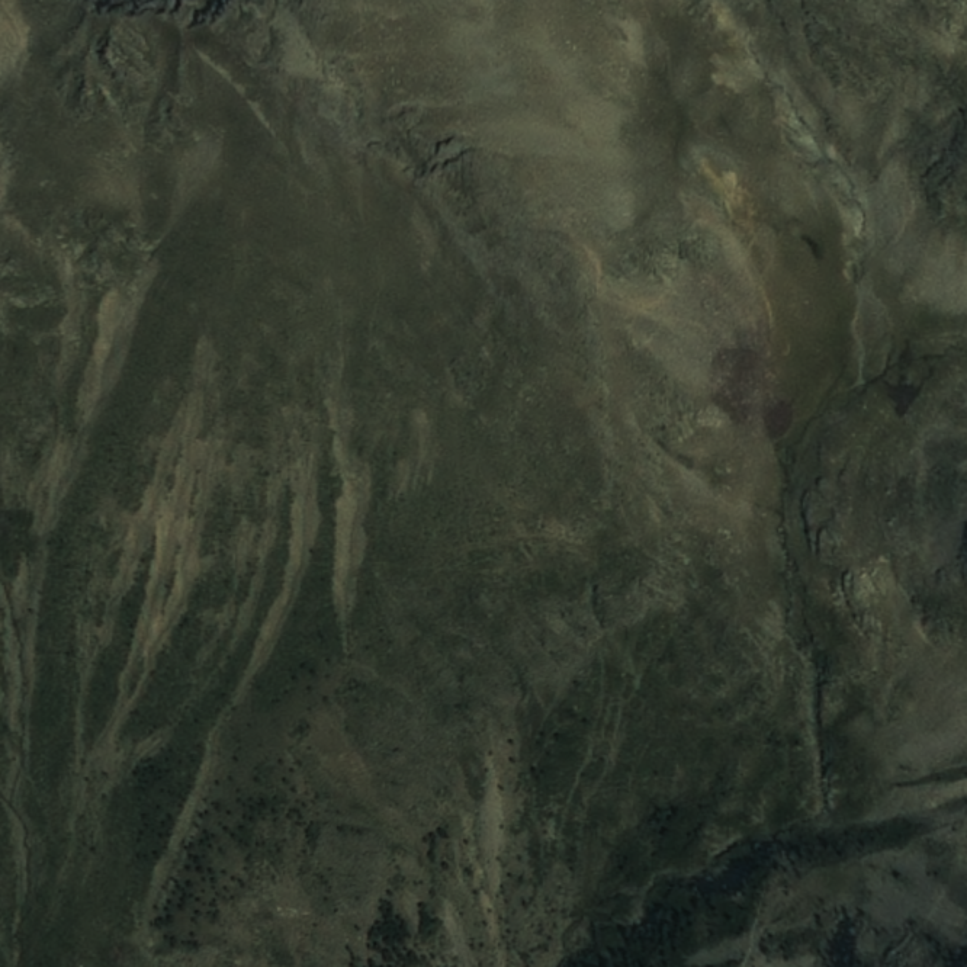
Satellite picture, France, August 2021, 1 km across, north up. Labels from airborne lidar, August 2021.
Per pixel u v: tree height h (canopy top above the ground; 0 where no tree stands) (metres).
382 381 0
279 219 0
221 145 0
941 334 0
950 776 0
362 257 0
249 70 0
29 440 0
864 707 0
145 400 0
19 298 0
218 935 0
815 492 0
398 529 0
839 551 0
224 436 0
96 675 0
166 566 0
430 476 0
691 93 0
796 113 0
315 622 0
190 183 0
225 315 0
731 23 0
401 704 0
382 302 0
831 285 0
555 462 0
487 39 0
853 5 0
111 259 0
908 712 0
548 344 0
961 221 0
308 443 0
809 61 0
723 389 0
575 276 0
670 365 0
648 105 0
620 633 0
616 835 0
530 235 0
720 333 0
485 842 0
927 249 0
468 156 0
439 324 0
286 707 0
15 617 0
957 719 0
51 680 0
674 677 0
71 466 0
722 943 0
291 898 0
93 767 0
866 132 0
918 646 0
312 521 0
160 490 0
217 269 0
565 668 0
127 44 0
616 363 0
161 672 0
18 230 0
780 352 0
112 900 0
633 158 0
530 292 0
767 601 0
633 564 0
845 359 0
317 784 0
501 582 0
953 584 0
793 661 0
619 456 0
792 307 0
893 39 0
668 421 0
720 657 0
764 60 0
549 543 0
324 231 0
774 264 0
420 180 0
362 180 0
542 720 0
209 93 0
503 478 0
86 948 0
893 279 0
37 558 0
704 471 0
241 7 0
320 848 0
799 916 0
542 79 0
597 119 0
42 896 0
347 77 0
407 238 0
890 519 0
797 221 0
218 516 0
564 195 0
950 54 0
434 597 0
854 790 0
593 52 0
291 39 0
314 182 0
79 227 0
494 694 0
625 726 0
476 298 0
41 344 0
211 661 0
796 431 0
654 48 0
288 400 0
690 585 0
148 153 0
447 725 0
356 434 0
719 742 0
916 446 0
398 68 0
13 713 0
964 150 0
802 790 0
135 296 0
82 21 0
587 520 0
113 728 0
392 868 0
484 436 0
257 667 0
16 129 0
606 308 0
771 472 0
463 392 0
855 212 0
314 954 0
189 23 0
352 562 0
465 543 0
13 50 0
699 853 0
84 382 0
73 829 0
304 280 0
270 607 0
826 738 0
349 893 0
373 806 0
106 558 0
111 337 0
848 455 0
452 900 0
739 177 0
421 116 0
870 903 0
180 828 0
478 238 0
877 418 0
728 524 0
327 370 0
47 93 0
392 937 12
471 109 0
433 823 0
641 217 0
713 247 0
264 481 0
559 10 0
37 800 0
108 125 0
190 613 0
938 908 0
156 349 0
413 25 0
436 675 0
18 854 0
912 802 0
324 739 0
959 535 0
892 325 0
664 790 0
